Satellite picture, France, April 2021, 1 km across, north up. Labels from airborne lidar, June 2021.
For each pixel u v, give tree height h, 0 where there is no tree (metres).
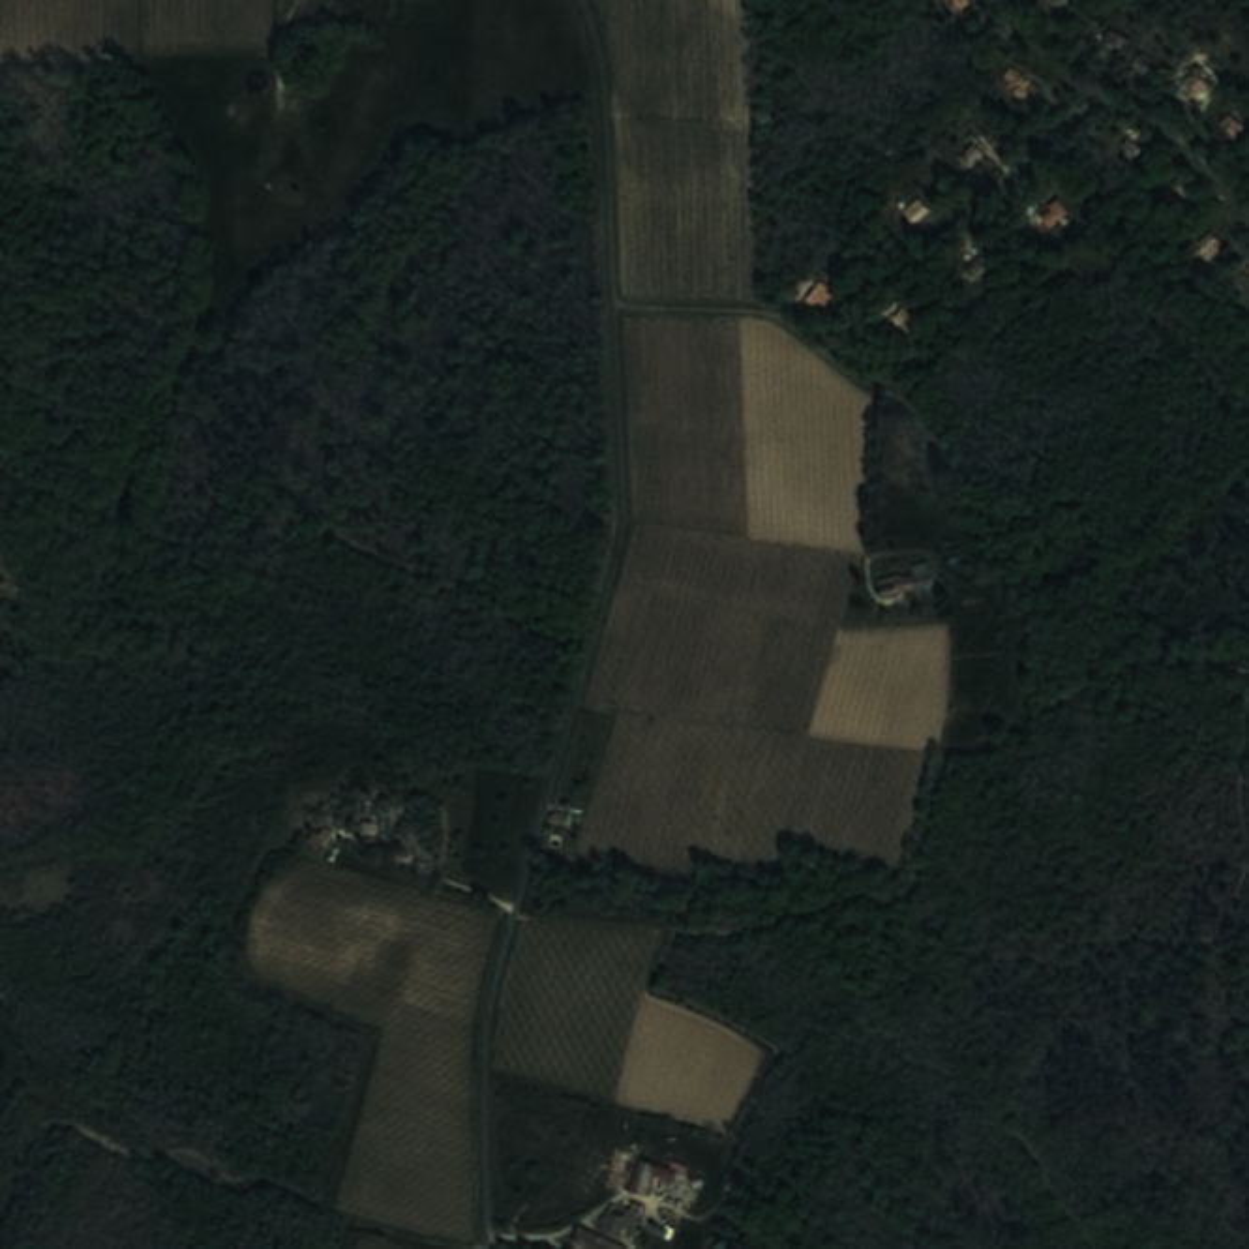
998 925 9
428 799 6
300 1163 12
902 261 18
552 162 10
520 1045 0
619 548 0
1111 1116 25
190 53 0
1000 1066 11
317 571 10
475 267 14
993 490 20
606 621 0
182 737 16
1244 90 18
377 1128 0
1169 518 24
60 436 26
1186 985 26
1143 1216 23
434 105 0
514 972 0
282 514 18
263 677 17
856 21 18
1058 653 16
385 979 0
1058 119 15
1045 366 11
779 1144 13
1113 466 17
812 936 15
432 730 14
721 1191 0
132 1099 14
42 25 0
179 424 22
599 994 0
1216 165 18
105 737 11
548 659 27
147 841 12
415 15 0
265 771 9
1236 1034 9
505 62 0
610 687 0
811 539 0
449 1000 0
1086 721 14
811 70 17
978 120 6
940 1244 15
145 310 13
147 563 25
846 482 0
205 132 0
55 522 22
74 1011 10
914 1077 19
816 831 0
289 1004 13
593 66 0
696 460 0
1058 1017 10
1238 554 21
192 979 11
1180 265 23
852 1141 14
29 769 8
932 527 0
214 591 20
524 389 18
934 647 0
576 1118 0
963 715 0
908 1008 13
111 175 18
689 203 0
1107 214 22
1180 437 16
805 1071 15
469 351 18
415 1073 0
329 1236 14
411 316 17
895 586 0
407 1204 0
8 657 22
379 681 12
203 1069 12
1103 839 11
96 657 15
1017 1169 18
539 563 19
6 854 13
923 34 23
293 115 0
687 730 0
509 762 9
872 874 14
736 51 0
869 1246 11
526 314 16
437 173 22
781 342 0
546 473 11
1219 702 13
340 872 0
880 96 22
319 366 15
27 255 23
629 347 0
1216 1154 16
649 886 19
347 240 15
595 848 0
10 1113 12
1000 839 6
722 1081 0
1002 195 19
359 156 0
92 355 21
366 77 0
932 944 13
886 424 20
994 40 19
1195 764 9
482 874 0
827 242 16
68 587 23
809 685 0
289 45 22
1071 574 13
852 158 14
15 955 11
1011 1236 26
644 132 0
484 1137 0
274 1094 16
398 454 15
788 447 0
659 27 0
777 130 11
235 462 22
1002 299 14
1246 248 14
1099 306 19
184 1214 13
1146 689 14
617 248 0
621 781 0
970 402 22
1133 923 12
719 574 0
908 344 17
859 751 0
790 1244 14
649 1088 0
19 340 22
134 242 11
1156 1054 20
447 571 10
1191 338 15
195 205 26
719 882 18
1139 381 19
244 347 18
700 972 10
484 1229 0
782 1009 14
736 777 0
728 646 0
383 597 8
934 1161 15
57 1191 12
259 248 0
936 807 13
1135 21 14
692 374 0
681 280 0
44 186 16
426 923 0
